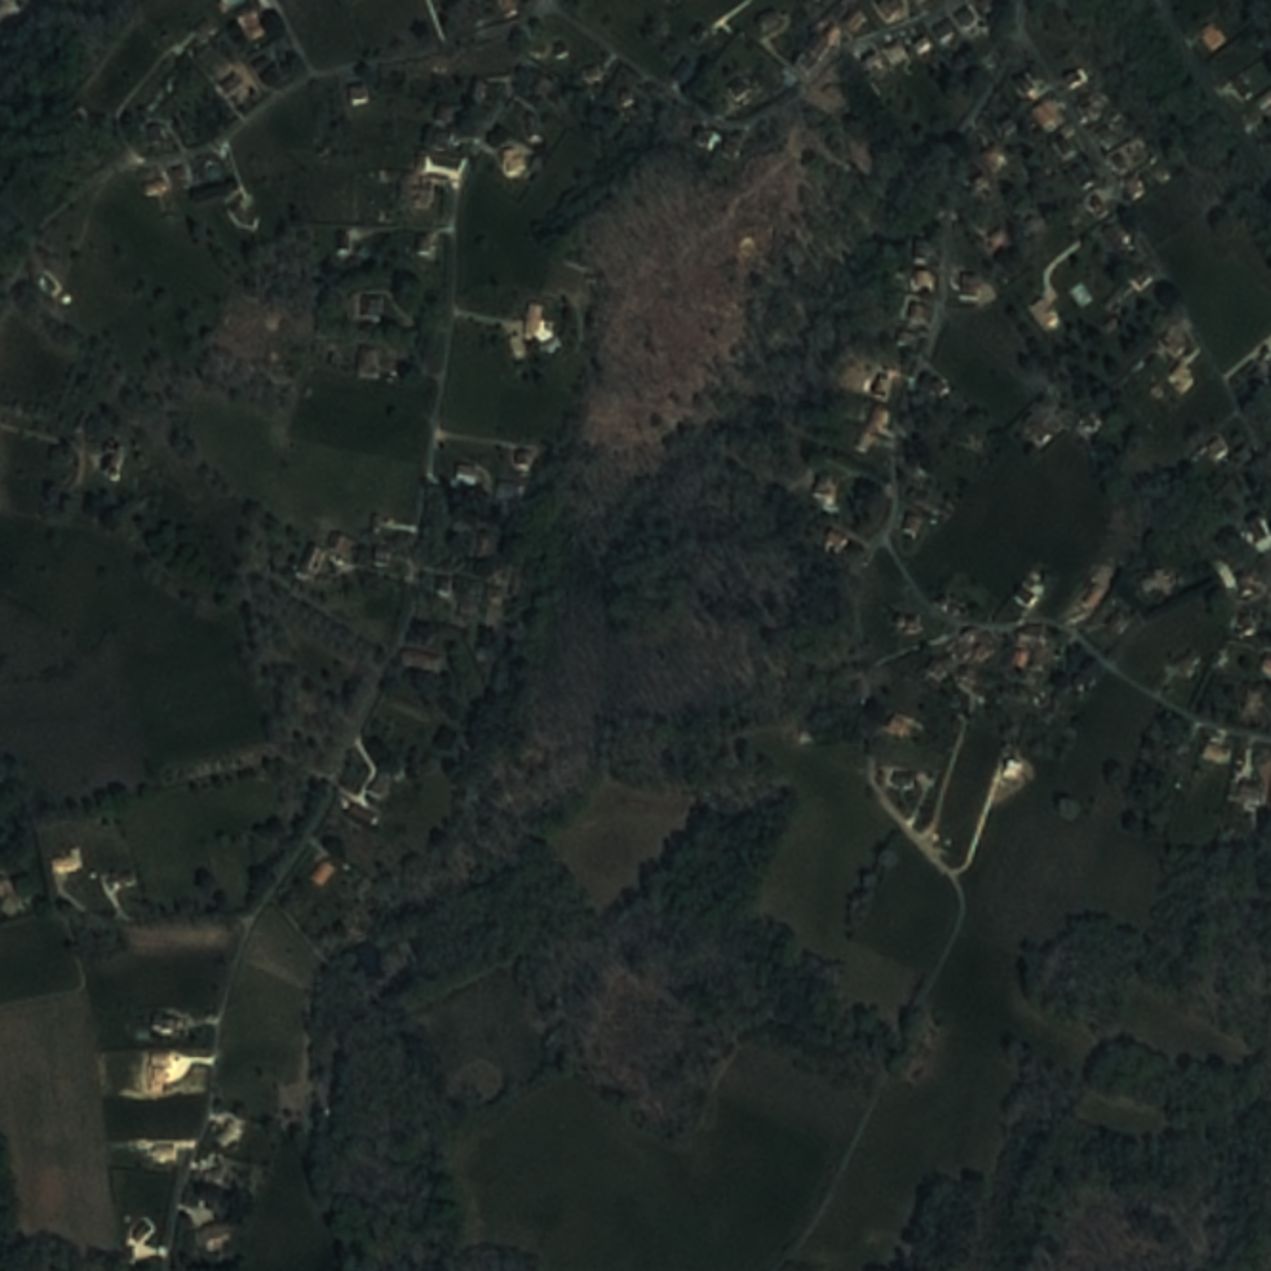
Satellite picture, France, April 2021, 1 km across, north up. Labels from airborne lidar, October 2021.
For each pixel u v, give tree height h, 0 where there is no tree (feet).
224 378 31
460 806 48
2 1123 0
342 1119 59
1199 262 0
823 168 67
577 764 65
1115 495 64
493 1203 0
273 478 0
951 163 43
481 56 0
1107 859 0
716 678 41
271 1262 0
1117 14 54
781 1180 0
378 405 0
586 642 50
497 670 26
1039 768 0
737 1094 0
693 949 61
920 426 46
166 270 0
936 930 0
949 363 0
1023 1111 46
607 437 0
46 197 54
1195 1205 60
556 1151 0
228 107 23
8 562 0
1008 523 0
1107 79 27
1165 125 27
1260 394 58
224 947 0
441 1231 73
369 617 0
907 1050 38
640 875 0
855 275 40
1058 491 0
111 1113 0
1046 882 0
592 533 61
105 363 36
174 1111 0
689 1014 69
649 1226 0
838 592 74
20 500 0
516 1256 42
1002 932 0
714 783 57
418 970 46
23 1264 72
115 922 49
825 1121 0
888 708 18
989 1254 27
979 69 51
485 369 0
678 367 0
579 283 0
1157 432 0
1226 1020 56
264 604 58
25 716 0
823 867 0
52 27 65
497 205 0
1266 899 84
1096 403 40
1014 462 0
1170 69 81
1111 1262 37
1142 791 48
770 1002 57
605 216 54
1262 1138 77
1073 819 32
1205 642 0
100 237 0
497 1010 0
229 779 20
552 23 0
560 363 0
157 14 0
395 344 63
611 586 54
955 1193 61
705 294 0
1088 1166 75
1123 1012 68
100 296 0
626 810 0
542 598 47
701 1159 0
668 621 70
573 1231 0
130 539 0
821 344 60
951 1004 0
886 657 0
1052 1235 50
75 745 0
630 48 0
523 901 67
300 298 63
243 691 0
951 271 0
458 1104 32
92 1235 0
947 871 0
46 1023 0
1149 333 21
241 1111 41
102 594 0
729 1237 0
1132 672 0
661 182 60
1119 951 46
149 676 0
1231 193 22
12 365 0
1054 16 56
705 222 52
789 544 61
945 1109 0
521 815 53
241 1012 0
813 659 60
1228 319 0
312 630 66
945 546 0
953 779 0
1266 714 0
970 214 55
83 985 0
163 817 0
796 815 71
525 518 64
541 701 41
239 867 0
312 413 0
